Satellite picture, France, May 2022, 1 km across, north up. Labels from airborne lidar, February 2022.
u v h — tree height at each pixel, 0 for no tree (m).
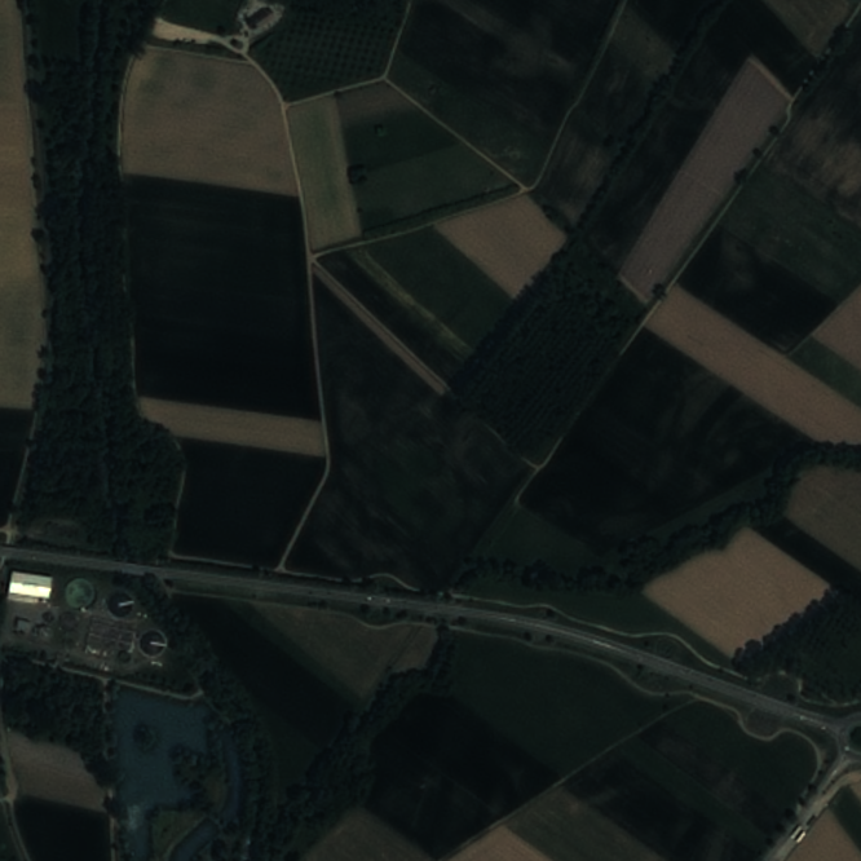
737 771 0
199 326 0
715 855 0
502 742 0
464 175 0
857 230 0
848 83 0
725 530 12
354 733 21
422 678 14
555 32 0
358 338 0
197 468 0
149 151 0
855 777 0
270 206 0
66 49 0
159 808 7
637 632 0
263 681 0
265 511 0
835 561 0
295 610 0
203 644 13
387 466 0
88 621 0
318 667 0
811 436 0
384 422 0
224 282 0
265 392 0
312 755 0
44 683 9
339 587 7
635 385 0
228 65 0
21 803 0
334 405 0
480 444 0
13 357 0
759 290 0
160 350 0
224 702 19
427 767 0
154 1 20
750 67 0
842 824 0
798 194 0
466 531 0
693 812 0
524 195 0
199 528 0
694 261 0
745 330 0
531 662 0
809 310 0
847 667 0
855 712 0
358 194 0
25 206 0
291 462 0
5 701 25
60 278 18
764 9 0
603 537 0
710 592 0
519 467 0
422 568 0
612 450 0
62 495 22
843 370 0
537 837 0
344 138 0
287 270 0
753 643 0
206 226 0
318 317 0
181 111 0
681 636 0
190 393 0
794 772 0
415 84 0
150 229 0
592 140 0
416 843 0
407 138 0
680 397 0
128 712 0
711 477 0
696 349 0
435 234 0
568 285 7
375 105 0
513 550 0
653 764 0
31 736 16
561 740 0
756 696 0
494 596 0
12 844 0
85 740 20
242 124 0
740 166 0
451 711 0
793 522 0
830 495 0
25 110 0
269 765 17
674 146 0
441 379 0
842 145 0
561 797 0
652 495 0
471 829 0
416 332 0
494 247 0
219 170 0
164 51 0
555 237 0
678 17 0
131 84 0
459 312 0
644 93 0
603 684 0
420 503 0
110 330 29
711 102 0
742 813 0
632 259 0
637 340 0
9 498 0
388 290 0
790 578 0
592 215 8
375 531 0
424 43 0
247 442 0
